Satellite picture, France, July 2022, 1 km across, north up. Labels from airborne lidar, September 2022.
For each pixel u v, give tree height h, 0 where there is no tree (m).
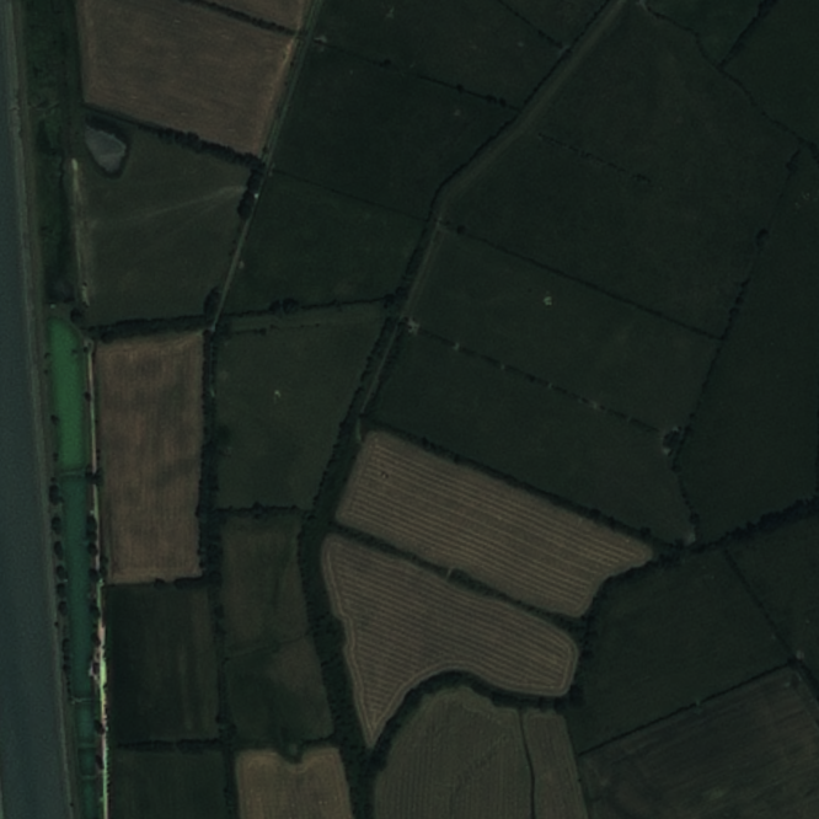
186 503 0
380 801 0
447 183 6
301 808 0
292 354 0
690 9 0
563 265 0
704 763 0
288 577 0
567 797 0
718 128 0
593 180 0
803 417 0
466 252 0
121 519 0
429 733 0
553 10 0
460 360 0
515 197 0
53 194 0
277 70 0
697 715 0
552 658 0
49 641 0
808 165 0
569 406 0
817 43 0
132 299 0
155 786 0
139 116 0
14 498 0
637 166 0
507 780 0
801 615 0
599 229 0
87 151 0
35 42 0
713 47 0
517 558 0
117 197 0
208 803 0
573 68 0
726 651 0
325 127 0
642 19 0
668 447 7
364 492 0
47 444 0
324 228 0
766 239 9
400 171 0
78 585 0
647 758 0
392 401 0
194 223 0
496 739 0
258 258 0
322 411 0
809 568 0
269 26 7
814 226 0
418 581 0
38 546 0
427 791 0
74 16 0
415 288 0
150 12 0
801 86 0
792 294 0
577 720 0
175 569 0
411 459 0
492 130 0
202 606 0
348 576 0
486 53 0
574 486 0
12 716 0
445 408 0
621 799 0
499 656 0
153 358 0
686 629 0
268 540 0
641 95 0
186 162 0
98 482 11
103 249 0
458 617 0
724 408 0
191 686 0
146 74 0
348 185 0
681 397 0
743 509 0
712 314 0
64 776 0
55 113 0
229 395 0
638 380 0
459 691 0
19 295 0
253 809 0
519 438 0
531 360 0
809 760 0
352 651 0
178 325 6
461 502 0
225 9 6
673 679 0
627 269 0
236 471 0
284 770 0
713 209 0
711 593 0
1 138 0
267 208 0
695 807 0
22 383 0
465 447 0
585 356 0
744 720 0
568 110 0
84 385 0
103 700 0
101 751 0
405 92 0
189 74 0
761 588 0
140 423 0
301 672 0
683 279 0
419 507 0
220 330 8
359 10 0
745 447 0
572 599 0
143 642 0
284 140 0
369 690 0
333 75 0
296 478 0
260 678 0
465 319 0
